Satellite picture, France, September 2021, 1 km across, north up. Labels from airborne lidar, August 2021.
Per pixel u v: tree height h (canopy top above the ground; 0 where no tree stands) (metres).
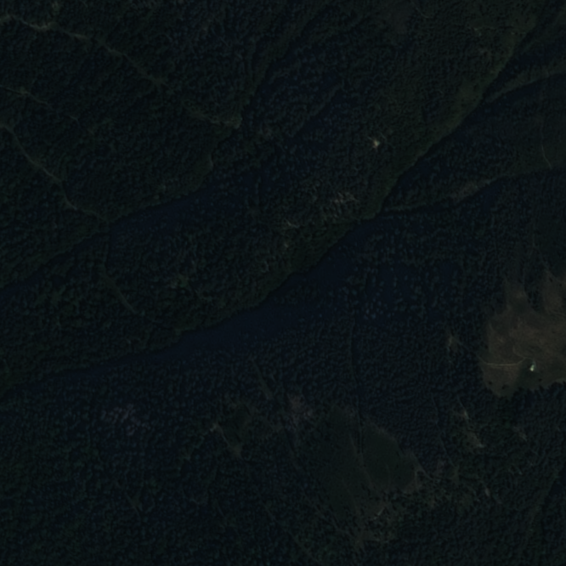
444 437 10
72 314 12
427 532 16
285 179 10
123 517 29
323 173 26
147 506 18
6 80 20
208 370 31
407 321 13
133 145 8
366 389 21
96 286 29
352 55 7
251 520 14
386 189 10
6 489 22
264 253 23
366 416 27
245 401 30
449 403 23
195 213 12
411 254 12
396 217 7
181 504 28
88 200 27
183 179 17
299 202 22
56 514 25
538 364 0
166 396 30
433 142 8
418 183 12
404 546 12
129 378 27
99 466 34
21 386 21
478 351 11
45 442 26
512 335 0
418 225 8
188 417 23
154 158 16
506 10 6
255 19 25
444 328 9
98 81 20
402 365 25
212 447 9
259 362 28
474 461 11
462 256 9
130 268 11
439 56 14
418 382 20
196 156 19
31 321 26
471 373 12
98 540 21
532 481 19
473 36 9
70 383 19
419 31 10
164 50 19
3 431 26
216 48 27
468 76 13
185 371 23
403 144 13
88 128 19
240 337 24
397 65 9
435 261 8
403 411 26
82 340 30
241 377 28
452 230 11
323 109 9
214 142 16
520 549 23
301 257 11
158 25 16
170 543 30
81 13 14
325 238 12
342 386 28
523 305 0
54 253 19
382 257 22
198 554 16
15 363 21
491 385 9
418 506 8
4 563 24
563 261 8
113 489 15
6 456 22
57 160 13
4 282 17
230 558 17
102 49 13
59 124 8
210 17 31
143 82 13
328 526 10
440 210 10
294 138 7
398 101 7
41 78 13
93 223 20
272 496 9
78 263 24
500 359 0
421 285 7
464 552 25
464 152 9
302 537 8
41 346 27
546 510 19
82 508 25
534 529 10
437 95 16
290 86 6
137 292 10
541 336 0
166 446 30
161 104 14
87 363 15
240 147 13
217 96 7
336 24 7
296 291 16
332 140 18
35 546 23
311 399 34
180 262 27
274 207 11
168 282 34
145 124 15
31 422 28
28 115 16
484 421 19
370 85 10
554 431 29
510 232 10
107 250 9
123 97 12
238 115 14
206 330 14
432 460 21
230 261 9
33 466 26
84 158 14
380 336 27
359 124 7
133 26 16
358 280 24
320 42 8
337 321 27
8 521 28
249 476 7
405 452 26
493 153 6
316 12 7
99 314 19
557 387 12
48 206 22
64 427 29
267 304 17
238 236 20
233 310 13
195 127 8
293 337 22
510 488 21
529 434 27
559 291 0
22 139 16
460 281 17
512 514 9
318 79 27
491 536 23
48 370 21
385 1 6
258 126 25
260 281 22
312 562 10
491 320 0
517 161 10
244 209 12
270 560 12
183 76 11
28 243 16
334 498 0
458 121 0
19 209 15
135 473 18
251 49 32
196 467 18
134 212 18
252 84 9
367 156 13
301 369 25
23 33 23
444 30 15
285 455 7
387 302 12
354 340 14
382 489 0
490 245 8
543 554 7
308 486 11
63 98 20
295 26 30
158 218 15
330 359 22
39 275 23
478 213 7
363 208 10
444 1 8
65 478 23
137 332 27
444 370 19
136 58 15
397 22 0
